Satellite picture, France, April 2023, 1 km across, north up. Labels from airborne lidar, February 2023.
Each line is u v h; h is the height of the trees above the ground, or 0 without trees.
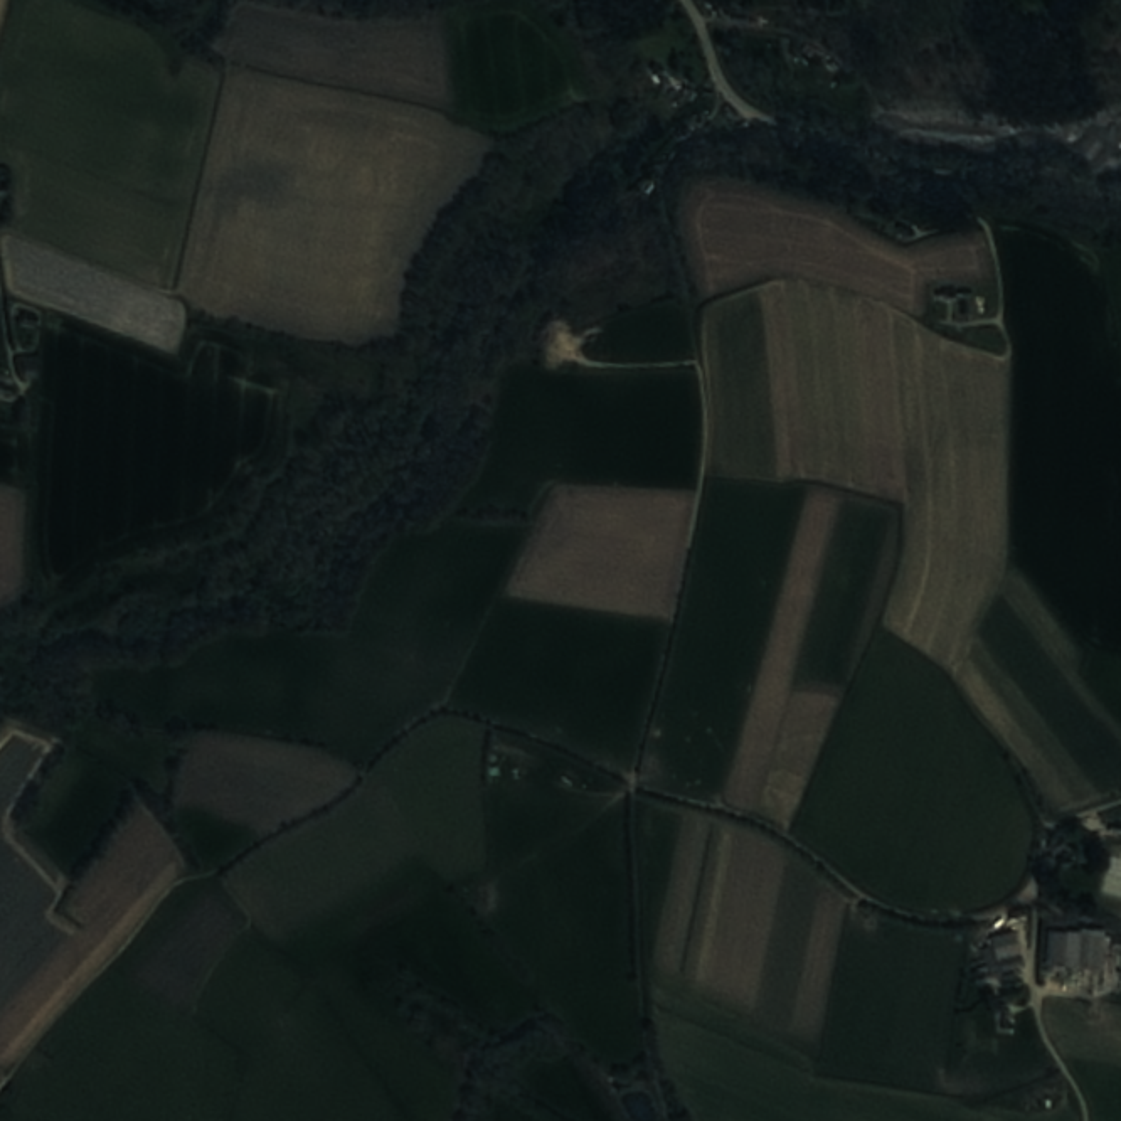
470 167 0
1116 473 0
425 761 0
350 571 16
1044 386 0
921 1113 0
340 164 0
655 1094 11
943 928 6
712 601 0
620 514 0
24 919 0
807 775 0
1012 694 0
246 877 0
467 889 0
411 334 20
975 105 31
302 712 0
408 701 0
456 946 0
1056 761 0
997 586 0
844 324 0
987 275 0
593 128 19
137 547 0
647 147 9
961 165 9
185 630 12
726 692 0
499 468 0
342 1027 0
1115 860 0
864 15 19
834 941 0
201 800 0
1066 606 0
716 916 0
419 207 0
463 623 0
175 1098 0
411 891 0
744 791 0
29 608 15
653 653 0
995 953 0
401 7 16
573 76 0
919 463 0
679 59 9
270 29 0
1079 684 0
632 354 0
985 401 0
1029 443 0
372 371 0
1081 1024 0
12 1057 0
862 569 0
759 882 0
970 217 19
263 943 0
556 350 0
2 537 0
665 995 0
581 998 0
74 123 0
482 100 0
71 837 0
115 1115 0
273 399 0
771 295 0
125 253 0
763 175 19
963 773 0
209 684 0
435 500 17
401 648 0
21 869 0
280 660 0
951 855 0
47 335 0
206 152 0
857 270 0
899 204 22
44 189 0
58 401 0
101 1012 0
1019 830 0
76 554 0
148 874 0
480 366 11
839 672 0
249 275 0
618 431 0
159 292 0
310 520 23
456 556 0
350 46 0
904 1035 0
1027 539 0
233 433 0
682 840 0
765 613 0
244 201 0
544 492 0
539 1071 0
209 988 0
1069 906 11
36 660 15
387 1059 0
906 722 0
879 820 0
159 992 0
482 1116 12
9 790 0
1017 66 25
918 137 0
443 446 18
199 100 0
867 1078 0
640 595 0
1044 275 0
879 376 0
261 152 0
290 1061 0
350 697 0
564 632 0
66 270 0
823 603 0
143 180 0
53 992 0
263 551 23
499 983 0
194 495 0
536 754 0
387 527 13
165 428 0
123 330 0
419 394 12
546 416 0
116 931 0
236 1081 0
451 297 20
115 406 0
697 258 0
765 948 0
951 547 0
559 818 0
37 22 0
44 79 0
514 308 13
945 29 18
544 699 0
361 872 0
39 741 0
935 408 0
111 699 0
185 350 0
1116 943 0
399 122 0
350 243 0
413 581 0
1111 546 0
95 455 0
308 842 0
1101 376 0
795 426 0
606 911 0
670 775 0
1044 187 15
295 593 8
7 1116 0
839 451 0
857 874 0
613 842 0
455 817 0
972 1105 0
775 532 0
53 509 0
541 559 0
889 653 0
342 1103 0
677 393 0
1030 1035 0
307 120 0
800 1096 0
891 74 21
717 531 0
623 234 21
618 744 0
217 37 15
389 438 25
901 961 0
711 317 0
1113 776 0
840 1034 0
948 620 0
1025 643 0
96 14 0
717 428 0
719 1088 0
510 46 0
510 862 0
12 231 0
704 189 0
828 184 13
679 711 0
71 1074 0
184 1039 0
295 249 0
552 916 0
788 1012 0
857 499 0
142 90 0
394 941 0
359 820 0
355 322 0
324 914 0
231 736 0
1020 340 0
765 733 0
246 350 0
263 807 0
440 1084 0
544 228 0
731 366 0
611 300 0
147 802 15
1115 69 12
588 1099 0
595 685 0
